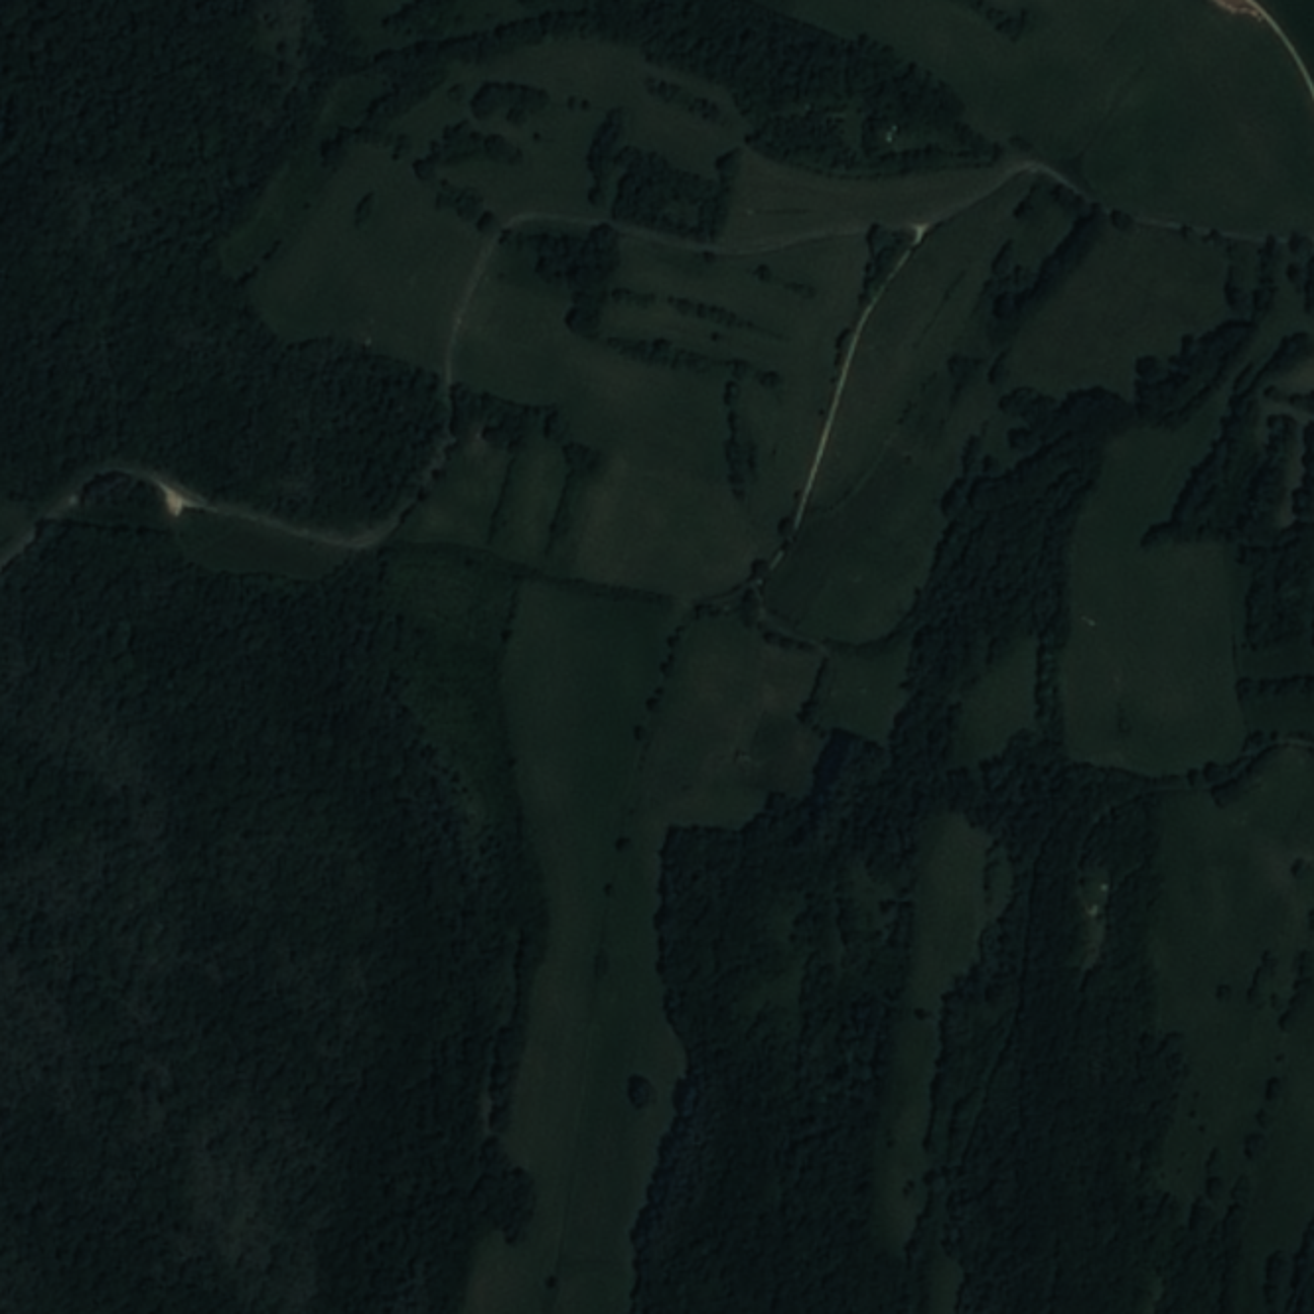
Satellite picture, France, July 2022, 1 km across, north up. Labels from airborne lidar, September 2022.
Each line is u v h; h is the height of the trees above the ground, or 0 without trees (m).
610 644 0
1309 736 8
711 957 11
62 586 9
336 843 8
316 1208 10
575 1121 0
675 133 0
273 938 10
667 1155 16
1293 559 18
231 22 13
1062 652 14
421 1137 12
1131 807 14
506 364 0
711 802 0
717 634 0
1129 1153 9
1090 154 0
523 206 0
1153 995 13
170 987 10
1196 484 12
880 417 0
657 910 0
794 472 0
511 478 6
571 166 0
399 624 16
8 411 14
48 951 12
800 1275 16
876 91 9
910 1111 0
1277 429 13
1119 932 13
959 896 0
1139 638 0
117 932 8
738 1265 17
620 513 0
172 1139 9
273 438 16
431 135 0
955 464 0
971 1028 8
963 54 0
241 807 15
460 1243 18
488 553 6
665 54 15
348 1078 8
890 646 6
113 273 6
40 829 8
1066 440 17
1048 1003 12
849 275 0
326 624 10
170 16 14
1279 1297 17
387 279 0
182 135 10
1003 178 0
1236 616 0
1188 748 0
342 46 17
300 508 13
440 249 0
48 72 12
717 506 0
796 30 14
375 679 15
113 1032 10
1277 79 0
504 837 10
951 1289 0
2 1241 10
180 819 12
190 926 8
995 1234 13
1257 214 0
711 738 0
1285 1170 0
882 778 6
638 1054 0
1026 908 7
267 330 15
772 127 9
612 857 0
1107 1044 15
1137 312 0
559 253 18
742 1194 16
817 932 8
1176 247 0
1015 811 18
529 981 12
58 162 19
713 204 7
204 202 9
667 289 0
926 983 0
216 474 13
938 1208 8
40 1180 10
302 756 12
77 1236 13
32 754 11
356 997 12
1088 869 13
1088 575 0
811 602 0
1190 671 0
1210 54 0
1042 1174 11
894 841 18
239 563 0
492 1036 18
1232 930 0
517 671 0
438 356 0
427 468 13
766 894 8
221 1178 7
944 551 12
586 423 0
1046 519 7
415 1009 16
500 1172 19
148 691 11
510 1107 18
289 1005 11
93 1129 8
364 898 9
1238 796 15
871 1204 7
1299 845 0
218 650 12
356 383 14
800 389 0
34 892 8
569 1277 0
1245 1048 0
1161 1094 19
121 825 11
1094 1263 13
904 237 6
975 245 0
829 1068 7
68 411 10
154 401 15
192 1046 10
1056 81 0
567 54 0
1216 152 0
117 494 17
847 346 11
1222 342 18
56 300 8
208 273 15
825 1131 10
